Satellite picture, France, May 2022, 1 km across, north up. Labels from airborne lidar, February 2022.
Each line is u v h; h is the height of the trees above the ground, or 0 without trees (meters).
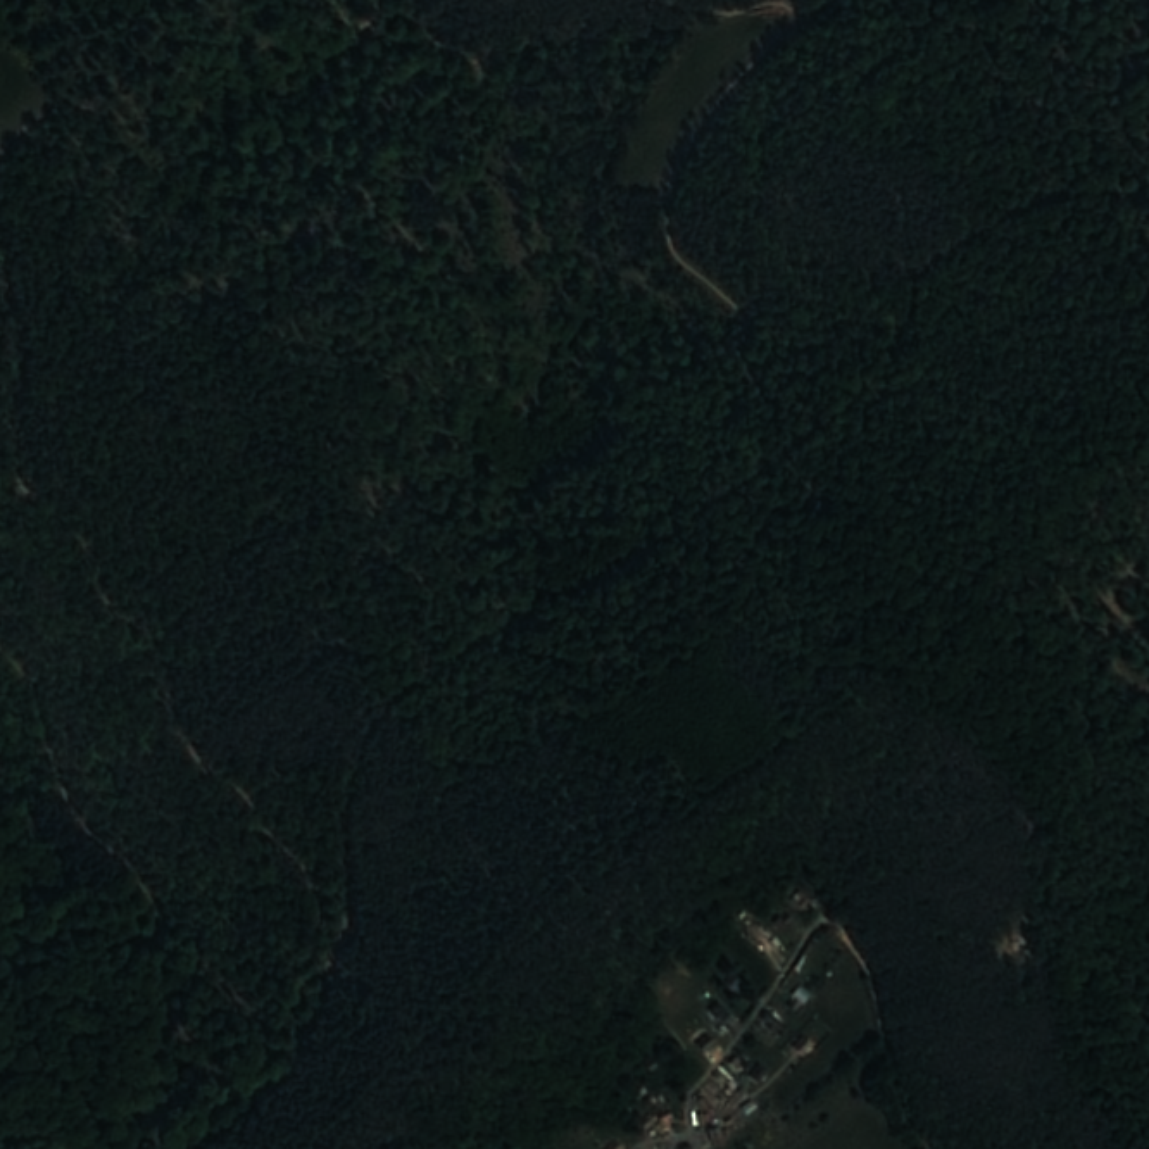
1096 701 37
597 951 25
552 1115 26
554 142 33
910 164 24
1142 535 27
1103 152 29
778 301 27
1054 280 24
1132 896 23
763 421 26
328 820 22
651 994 26
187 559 24
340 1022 30
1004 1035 20
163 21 30
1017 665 27
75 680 24
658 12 17
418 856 21
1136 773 26
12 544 22
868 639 24
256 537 25
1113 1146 16
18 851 31
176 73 31
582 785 27
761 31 0
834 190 20
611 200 9
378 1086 29
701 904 28
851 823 24
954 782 25
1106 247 28
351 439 29
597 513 0
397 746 23
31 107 0
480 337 34
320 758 25
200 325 30
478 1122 32
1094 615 33
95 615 25
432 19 14
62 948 30
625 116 16
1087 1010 25
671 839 25
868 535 27
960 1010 20
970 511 24
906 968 19
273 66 34
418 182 7
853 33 33
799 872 11
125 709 27
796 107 28
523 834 27
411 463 36
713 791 18
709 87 0
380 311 27
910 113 26
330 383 27
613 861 26
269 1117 28
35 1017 29
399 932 24
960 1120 16
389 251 32
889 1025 17
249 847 25
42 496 24
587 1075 29
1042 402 25
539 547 29
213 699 24
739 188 24
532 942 25
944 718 20
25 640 27
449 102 26
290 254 33
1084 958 24
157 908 0
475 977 22
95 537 25
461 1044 21
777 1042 0
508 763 24
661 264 9
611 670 31
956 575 24
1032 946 23
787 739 17
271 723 25
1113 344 29
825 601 26
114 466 27
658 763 24
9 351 26
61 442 24
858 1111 0
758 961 0
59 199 24
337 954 25
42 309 28
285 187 32
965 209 25
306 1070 29
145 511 22
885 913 20
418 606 28
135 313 31
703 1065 0
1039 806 20
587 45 27
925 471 26
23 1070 27
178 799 25
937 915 20
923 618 26
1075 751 27
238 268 30
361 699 26
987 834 20
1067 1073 15
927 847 25
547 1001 25
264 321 28
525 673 29
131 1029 31
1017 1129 16
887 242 23
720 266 29
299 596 27
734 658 17
